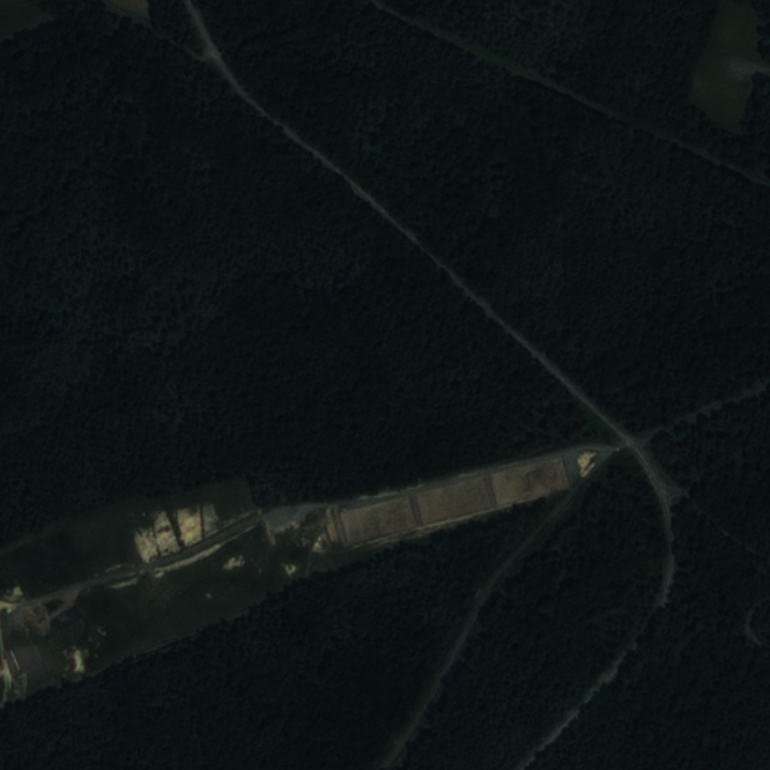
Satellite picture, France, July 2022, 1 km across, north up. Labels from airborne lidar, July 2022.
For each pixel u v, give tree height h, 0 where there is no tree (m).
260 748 19
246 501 0
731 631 21
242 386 17
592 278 15
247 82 21
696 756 23
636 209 15
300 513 0
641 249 15
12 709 18
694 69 9
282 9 17
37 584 0
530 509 17
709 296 20
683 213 18
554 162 21
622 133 10
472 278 27
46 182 9
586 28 12
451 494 0
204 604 0
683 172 18
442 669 0
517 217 19
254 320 24
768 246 23
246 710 19
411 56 13
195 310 12
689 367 26
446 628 23
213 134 22
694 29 22
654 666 23
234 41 21
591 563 19
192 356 19
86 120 16
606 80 15
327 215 21
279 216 20
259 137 17
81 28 26
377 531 0
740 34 0
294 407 18
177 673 18
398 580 15
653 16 12
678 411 21
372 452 19
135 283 15
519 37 19
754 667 22
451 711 19
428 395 22
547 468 0
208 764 18
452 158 18
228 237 7
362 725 22
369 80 20
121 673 20
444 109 20
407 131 18
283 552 0
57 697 16
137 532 0
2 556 0
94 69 8
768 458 18
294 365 16
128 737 20
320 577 21
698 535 16
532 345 12
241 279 14
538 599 16
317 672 22
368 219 22
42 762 18
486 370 17
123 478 19
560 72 16
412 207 22
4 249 10
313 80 24
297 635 18
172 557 0
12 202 15
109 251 9
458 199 23
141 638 0
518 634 17
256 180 20
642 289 16
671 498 0
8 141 22
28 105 24
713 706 23
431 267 25
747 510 16
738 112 0
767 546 21
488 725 15
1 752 17
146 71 19
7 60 20
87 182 17
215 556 0
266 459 18
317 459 21
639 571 10
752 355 20
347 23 22
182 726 21
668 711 25
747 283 20
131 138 19
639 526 19
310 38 24
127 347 17
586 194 20
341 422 21
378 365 24
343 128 21
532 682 16
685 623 21
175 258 11
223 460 21
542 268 16
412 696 20
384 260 19
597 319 11
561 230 18
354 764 23
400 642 22
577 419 10
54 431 21
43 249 18
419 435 22
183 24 10
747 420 21
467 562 18
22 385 21
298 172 23
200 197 20
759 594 19
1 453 21
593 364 22
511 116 25
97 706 19
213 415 17
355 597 18
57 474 21
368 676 20
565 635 17
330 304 23
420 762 19
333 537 0
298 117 23
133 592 0
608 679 0
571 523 17
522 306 16
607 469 0
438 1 14
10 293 18
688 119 22
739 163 21
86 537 0
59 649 0
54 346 22
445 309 21
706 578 16
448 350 22
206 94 12
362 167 17
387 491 0
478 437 10
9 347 20
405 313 13
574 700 16
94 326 11
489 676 19
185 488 11
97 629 0
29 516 15
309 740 20
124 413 22
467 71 19
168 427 18
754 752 24
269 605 16
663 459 15
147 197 20
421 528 0
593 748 19
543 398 23
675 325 18
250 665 23
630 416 10
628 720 8
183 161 21
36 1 12
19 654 0
